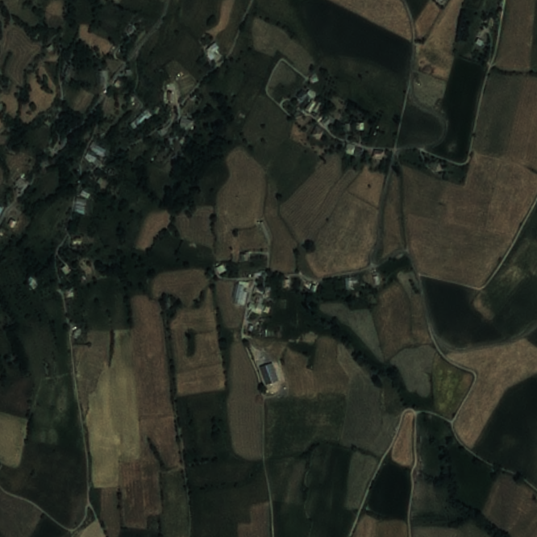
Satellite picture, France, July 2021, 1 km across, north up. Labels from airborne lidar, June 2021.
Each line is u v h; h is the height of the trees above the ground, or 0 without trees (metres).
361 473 0
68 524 0
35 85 0
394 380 25
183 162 20
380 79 0
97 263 12
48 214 0
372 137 6
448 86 0
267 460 0
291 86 0
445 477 20
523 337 0
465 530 0
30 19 0
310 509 0
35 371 0
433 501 0
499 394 0
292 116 9
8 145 8
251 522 0
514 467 0
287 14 0
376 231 0
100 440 0
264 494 0
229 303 0
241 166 0
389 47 0
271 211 0
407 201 0
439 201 0
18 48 0
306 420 0
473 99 0
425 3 0
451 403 0
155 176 0
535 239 0
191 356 0
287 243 0
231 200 0
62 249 11
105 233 0
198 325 0
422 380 0
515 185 0
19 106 7
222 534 0
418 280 0
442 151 0
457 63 0
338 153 6
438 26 0
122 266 12
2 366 12
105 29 0
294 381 0
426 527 0
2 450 0
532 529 0
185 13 0
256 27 0
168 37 0
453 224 0
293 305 0
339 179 0
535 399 0
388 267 0
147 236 0
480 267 0
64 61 7
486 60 7
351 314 0
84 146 14
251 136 0
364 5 0
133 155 0
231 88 0
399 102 0
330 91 6
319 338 0
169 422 0
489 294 0
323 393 0
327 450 0
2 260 9
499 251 0
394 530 0
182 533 0
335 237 0
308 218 0
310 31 0
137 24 8
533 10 0
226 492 0
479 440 0
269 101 0
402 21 0
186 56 0
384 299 0
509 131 0
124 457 0
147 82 7
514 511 0
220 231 0
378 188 0
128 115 12
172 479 0
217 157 14
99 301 11
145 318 0
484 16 8
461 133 0
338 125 11
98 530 0
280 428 0
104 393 0
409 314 0
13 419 0
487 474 0
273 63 0
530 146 0
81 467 0
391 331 0
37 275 12
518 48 0
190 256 0
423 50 0
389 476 0
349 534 0
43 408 0
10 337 7
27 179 6
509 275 0
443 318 0
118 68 0
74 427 0
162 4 0
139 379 0
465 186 0
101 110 13
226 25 0
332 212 0
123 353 0
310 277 0
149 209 0
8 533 0
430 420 0
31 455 0
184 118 0
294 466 0
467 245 0
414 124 0
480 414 0
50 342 0
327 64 0
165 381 0
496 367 0
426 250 0
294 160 0
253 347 0
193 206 19
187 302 0
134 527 0
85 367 0
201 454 0
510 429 0
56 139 9
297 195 0
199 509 0
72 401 0
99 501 0
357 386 0
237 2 0
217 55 0
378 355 0
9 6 0
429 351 0
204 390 0
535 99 0
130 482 0
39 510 0
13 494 0
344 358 0
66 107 9
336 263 0
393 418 0
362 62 0
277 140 0
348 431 0
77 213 8
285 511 0
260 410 0
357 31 0
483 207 0
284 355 0
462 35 10
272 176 0
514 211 0
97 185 11
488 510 0
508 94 0
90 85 9
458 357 0
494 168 0
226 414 0
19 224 0
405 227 0
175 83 0
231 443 0
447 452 12
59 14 0
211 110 20
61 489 0
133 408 0
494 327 0
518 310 0
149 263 0
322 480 0
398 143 0
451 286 0
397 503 0
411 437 0
